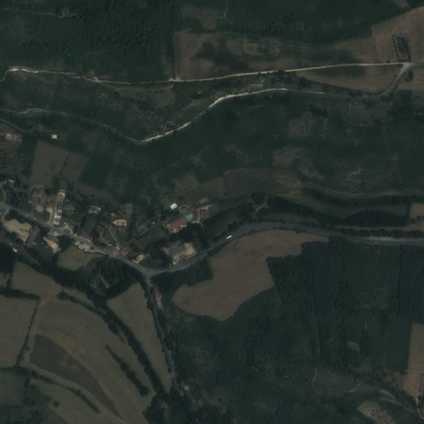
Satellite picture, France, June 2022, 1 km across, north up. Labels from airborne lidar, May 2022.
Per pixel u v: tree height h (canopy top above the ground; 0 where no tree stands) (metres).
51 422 0
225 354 7
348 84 0
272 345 15
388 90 0
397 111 10
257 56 0
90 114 9
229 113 14
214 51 0
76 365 0
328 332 8
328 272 16
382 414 0
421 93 0
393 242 0
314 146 5
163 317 8
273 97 10
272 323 9
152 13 6
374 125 6
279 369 10
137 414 0
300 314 6
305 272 9
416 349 0
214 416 10
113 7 7
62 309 0
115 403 0
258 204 12
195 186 0
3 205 0
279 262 14
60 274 22
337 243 20
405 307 16
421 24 0
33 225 13
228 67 0
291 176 0
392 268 6
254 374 8
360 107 0
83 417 0
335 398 6
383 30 0
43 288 0
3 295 11
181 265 0
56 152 0
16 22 0
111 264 14
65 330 0
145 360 12
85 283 18
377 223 16
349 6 6
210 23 0
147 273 0
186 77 0
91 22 12
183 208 0
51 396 0
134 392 0
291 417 10
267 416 9
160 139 9
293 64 0
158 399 15
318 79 0
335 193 0
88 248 0
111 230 0
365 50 0
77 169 0
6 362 0
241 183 0
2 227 18
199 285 0
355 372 7
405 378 0
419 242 0
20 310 0
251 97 10
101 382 0
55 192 0
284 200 13
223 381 14
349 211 0
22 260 23
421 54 0
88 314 0
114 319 13
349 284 11
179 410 0
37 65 0
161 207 7
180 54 0
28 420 10
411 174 6
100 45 6
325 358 12
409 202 10
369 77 0
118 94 8
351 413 6
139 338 0
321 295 14
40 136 9
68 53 10
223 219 0
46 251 0
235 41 0
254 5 6
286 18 12
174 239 21
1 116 7
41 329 0
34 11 5
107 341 0
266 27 7
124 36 10
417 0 9
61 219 0
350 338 9
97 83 0
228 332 6
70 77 0
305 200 0
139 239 7
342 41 0
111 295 15
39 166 0
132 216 8
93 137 0
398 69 0
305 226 12
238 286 0
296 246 0
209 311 0
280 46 0
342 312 8
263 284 0
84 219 12
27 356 0
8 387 0
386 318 11
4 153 8
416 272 13
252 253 0
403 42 12
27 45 10
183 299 0
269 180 0
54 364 0
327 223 15
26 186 13
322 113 11
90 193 0
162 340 9
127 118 0
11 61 0
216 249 6
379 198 9
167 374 0
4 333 0
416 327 0
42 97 0
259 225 0
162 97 0
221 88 9
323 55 0
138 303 0
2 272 22
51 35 6
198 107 0
